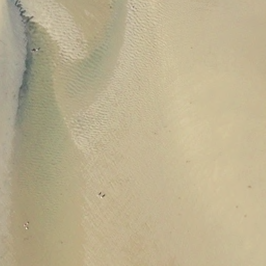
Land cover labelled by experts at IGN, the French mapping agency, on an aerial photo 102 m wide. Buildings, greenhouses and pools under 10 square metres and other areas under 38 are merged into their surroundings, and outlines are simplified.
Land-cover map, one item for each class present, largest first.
<instances>
[{"label":"bare soil","instance_id":"1","mask_svg":"<svg viewBox=\"0 0 266 266\"><path fill-rule=\"evenodd\" d=\"M0 266H266V0H0Z\"/></svg>","mask_w":266,"mask_h":266}]
</instances>
